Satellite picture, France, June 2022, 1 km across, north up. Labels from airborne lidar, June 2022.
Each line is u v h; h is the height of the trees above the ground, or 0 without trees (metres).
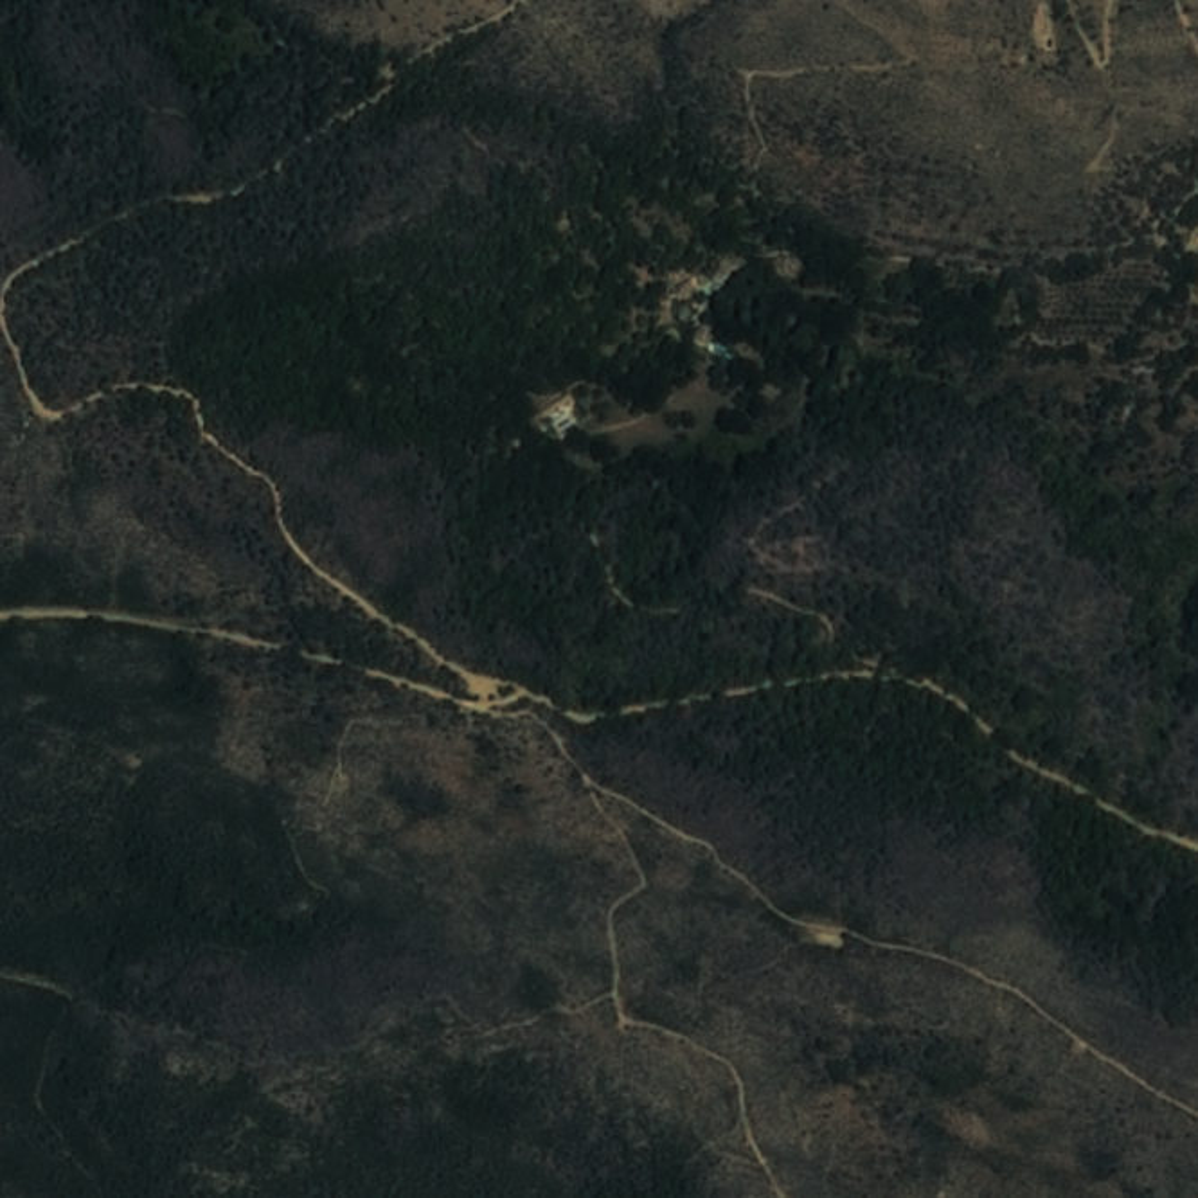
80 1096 6
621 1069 0
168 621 0
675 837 0
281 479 11
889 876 9
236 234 7
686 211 9
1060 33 0
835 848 13
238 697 0
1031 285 12
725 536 16
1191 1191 0
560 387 11
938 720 15
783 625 14
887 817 13
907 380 15
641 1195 11
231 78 14
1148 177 9
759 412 19
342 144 8
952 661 13
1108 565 14
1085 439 12
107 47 11
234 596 10
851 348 10
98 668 0
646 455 15
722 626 11
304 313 9
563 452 17
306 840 0
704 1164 6
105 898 8
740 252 14
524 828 0
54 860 11
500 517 13
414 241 11
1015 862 15
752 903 0
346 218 10
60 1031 6
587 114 11
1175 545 12
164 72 7
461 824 0
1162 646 13
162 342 12
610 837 0
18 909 6
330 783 0
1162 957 9
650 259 19
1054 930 7
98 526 0
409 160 8
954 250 14
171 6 17
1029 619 16
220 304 11
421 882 0
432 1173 7
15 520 7
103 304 8
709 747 11
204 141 10
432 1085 7
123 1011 6
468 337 6
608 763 7
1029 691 19
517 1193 6
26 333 7
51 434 8
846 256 18
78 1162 7
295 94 10
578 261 14
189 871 8
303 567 9
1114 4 0
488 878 0
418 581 7
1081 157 0
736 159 11
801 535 12
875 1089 9
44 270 9
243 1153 6
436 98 10
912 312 10
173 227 9
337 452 9
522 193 10
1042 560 12
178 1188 8
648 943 0
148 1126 7
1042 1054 0
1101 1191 0
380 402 13
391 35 0
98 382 10
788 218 14
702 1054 0
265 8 8
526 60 8
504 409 17
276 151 9
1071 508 13
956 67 0
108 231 10
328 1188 9
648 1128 7
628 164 14
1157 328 9
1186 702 14
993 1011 0
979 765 13
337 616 10
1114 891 12
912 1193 0
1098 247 10
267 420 8
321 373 14
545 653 7
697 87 7
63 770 6
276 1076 0
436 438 11
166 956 6
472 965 0
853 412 17
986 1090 0
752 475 19
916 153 7
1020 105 0
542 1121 6
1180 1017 12
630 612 15
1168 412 9
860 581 7
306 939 7
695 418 11
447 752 0
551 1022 0
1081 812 11
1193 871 8
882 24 0
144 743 0
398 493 9
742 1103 0
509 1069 8
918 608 15
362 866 0
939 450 15
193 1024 7
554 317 11
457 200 10
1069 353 11
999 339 13
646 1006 0
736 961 5
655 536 11
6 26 7
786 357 9
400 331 17
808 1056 10
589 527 9
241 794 0
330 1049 0
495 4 0
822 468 17
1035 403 8
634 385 19
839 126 7
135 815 8
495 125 9
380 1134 9
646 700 11
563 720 7
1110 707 14
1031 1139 0
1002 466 15
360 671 11
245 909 12
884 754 16
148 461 13
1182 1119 0
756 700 11
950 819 14
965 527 14
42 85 7
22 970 6
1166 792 12
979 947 0
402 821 0
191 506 9
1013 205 0
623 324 7
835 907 0
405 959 8
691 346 9
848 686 10
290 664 16
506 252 13
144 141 12
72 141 8
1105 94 0
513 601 10
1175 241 12
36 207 8
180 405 9
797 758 17
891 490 10
